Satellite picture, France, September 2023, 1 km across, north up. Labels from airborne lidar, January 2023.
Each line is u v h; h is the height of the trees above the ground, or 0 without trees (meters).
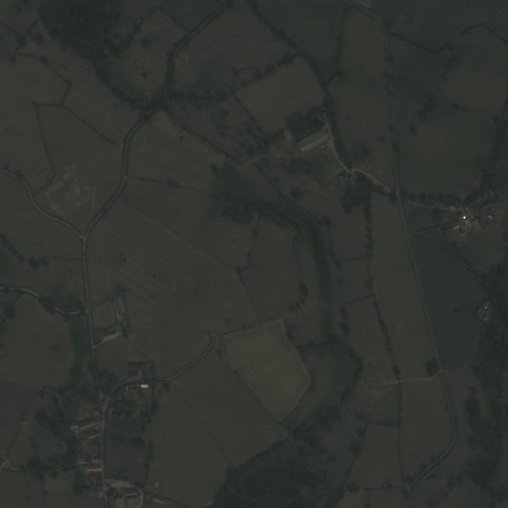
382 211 0
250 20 0
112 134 0
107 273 0
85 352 0
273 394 0
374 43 0
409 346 0
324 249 0
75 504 0
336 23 0
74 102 0
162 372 0
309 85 0
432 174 0
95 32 12
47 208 0
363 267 0
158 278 0
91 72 0
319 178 0
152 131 0
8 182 0
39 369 0
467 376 0
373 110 0
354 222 0
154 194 0
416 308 0
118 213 0
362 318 0
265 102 0
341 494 11
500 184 0
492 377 0
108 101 0
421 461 0
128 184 0
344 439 0
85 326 0
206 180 0
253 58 0
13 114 0
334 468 0
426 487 0
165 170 0
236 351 0
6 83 0
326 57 0
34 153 0
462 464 0
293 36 0
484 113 0
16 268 0
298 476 20
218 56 0
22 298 0
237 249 0
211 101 8
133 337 0
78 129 0
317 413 0
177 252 0
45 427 0
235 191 0
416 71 0
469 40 0
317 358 0
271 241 0
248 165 0
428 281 0
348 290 0
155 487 0
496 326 11
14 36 0
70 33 25
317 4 0
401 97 0
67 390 9
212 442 0
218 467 0
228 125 0
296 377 0
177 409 0
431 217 0
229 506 23
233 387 0
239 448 0
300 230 12
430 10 0
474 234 0
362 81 0
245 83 10
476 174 0
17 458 0
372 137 0
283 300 0
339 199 13
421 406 0
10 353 0
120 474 7
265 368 0
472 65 0
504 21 0
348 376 0
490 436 0
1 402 0
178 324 0
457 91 0
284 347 0
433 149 0
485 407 0
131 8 0
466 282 0
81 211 0
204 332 0
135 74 0
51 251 0
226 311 0
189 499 0
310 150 0
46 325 0
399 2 0
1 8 0
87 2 17
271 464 0
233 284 0
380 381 0
